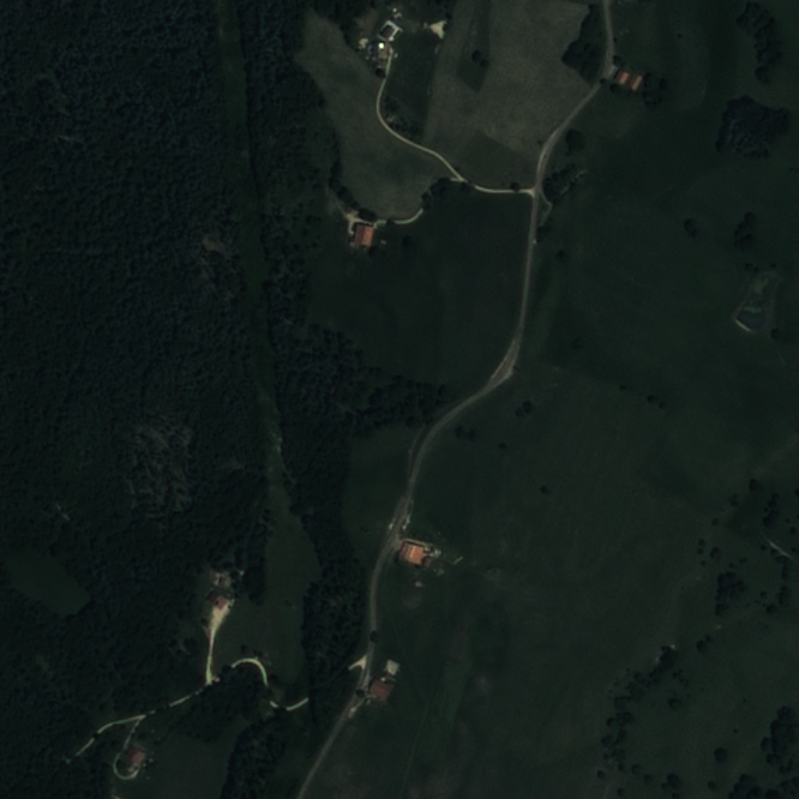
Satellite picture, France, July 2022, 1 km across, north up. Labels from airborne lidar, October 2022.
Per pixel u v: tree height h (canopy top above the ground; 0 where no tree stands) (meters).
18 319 15
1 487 13
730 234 0
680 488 0
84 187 19
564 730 0
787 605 12
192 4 29
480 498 0
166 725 7
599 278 0
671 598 0
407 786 0
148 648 14
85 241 14
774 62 14
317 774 0
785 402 0
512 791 0
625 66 14
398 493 0
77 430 11
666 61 0
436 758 0
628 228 0
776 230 0
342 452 15
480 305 0
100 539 13
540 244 9
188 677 8
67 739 19
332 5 14
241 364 21
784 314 0
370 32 0
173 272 19
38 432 13
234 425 17
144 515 16
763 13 12
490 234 0
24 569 0
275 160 16
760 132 21
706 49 0
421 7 0
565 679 0
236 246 16
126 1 23
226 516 18
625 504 0
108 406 12
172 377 28
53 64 11
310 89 20
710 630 0
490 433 0
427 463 0
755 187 0
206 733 7
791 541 0
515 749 0
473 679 0
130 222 18
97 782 19
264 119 25
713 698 0
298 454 13
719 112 0
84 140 20
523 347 0
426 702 0
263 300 7
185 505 14
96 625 19
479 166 0
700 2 0
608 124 0
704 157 0
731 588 12
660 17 0
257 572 20
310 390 26
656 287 0
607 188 0
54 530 22
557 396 0
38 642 16
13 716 10
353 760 0
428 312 0
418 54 0
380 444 0
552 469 0
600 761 0
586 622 0
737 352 0
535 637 0
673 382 0
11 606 11
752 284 0
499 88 0
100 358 22
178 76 28
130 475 17
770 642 0
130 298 18
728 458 0
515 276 0
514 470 0
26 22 28
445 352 0
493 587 0
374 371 13
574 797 0
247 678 9
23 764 10
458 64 0
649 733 0
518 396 0
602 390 0
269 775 24
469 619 0
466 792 0
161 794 0
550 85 0
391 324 0
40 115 8
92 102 27
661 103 9
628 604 0
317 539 21
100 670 9
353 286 0
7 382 14
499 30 0
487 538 0
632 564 0
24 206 26
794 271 0
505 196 0
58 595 0
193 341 26
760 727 0
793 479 0
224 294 22
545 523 0
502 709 0
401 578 0
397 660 0
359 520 0
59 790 19
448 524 0
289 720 30
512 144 0
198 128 23
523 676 0
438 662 0
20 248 22
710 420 0
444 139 0
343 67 0
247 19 21
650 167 0
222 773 0
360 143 0
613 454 0
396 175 0
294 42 27
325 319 0
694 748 0
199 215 29
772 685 0
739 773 0
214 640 0
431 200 16
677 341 0
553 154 0
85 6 29
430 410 21
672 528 0
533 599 0
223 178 22
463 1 0
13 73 25
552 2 0
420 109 0
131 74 31
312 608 27
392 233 0
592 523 0
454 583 0
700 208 0
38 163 25
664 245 0
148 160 14
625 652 0
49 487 22
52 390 11
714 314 0
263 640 0
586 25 12
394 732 0
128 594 23
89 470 12
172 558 14
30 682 14
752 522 0
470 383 0
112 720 0
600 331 0
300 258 8
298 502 8
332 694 24
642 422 0
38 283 13
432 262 0
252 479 17
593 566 0
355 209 15
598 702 0
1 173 19
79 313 16
